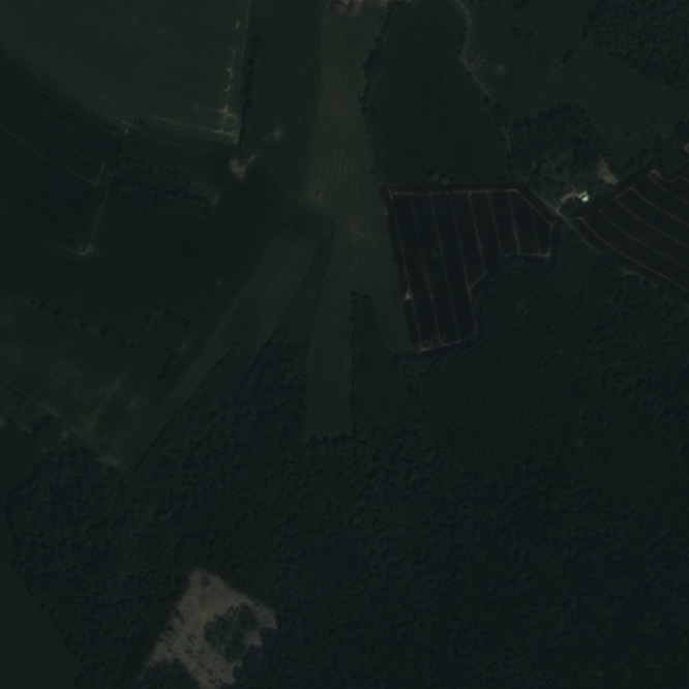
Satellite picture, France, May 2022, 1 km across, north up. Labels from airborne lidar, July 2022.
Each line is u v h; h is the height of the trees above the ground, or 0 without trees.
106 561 26
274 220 0
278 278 0
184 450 26
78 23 0
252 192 0
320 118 0
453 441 22
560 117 25
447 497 19
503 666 19
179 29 0
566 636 29
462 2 0
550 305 20
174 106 0
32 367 0
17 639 0
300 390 27
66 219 0
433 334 0
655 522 22
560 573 26
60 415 0
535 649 24
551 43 0
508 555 30
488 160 0
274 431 26
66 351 0
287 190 0
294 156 0
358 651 24
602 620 30
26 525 23
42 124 0
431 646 28
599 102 0
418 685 26
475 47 0
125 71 0
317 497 26
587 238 0
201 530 24
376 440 6
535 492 26
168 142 0
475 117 0
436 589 28
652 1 30
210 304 0
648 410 27
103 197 6
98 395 0
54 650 0
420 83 0
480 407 23
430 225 0
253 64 16
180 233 0
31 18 0
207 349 0
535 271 19
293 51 0
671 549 23
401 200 0
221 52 0
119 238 0
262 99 0
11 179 0
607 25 22
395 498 27
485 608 29
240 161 0
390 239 0
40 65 0
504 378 19
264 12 0
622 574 24
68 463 24
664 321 27
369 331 8
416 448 28
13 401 20
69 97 0
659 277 0
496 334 21
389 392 8
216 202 0
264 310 0
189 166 0
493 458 22
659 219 0
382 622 28
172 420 6
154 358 0
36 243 0
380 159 0
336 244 0
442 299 0
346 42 0
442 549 28
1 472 0
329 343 0
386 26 7
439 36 0
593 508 29
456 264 0
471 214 0
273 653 24
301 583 22
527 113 0
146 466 11
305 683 27
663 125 0
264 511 23
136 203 25
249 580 24
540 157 23
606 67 0
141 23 0
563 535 22
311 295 0
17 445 0
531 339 21
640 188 0
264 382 26
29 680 0
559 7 0
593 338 17
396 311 0
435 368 21
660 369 29
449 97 0
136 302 0
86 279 0
